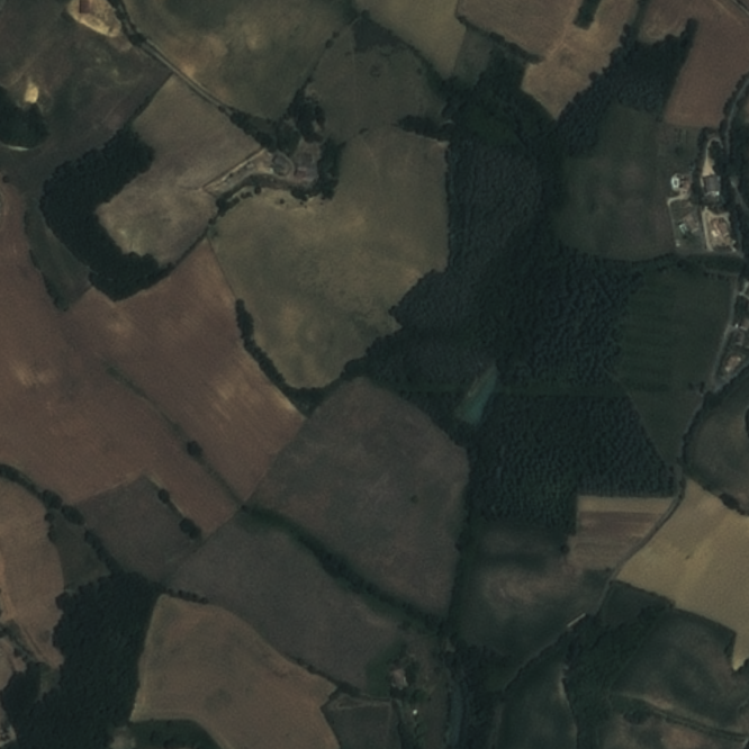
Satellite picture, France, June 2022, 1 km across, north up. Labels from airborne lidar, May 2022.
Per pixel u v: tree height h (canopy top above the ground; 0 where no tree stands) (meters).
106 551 16
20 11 0
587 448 10
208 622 0
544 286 17
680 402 0
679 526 0
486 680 6
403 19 0
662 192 0
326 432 0
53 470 0
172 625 0
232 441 0
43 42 0
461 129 20
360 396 0
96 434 0
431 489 0
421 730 12
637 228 0
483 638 0
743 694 0
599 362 17
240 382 0
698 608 0
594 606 0
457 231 9
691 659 0
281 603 0
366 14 9
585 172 0
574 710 7
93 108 0
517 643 0
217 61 0
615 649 6
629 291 22
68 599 18
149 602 18
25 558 0
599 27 0
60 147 0
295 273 0
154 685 0
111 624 15
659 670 0
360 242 0
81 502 0
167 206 0
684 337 0
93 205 15
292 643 0
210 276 0
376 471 0
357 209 0
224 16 0
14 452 0
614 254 0
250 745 0
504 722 0
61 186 17
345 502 0
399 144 0
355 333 0
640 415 15
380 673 0
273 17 0
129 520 0
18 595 0
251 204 0
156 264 15
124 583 20
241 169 0
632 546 0
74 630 19
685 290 0
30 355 0
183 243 0
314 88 0
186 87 0
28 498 0
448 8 0
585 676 10
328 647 0
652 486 16
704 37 0
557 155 20
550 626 0
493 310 18
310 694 0
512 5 0
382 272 0
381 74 0
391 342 19
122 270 17
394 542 0
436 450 0
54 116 0
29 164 0
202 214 0
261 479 0
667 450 0
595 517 0
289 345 0
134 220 0
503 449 23
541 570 0
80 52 0
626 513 0
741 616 0
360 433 0
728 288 0
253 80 0
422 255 0
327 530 0
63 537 0
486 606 0
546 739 0
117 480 0
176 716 0
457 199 12
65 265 0
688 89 0
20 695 16
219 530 0
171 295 0
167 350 0
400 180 0
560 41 0
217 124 0
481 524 0
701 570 0
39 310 0
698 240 0
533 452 6
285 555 0
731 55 0
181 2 0
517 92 17
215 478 0
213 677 0
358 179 0
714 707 0
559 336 25
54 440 0
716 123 0
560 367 17
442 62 0
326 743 0
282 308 0
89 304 0
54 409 0
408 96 0
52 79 0
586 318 22
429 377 18
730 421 0
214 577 0
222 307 0
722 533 0
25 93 0
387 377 18
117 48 0
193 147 0
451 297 15
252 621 0
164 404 0
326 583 0
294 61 0
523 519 19
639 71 20
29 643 0
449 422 21
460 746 8
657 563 0
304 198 8
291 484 0
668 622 0
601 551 0
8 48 0
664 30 0
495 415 24
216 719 0
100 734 11
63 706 19
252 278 0
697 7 0
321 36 0
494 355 17
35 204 0
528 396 8
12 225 0
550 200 19
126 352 0
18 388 0
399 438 0
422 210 0
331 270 0
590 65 0
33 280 0
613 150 0
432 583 0
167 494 13
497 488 27
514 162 21
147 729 0
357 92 0
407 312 15
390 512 0
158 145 0
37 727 19
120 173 19
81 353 0
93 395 0
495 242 17
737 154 15
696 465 0
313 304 0
